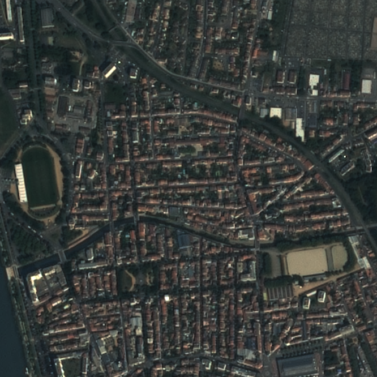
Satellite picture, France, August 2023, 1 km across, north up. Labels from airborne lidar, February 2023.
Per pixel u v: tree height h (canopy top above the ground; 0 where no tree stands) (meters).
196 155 0
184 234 0
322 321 0
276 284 24
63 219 17
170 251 0
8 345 0
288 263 0
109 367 0
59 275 0
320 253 0
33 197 0
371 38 0
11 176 0
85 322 0
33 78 13
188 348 0
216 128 0
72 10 10
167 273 7
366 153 0
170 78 0
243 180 11
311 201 0
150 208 0
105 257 0
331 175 0
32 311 7
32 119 0
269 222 0
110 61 19
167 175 8
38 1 0
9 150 0
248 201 11
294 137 11
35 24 12
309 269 0
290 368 0
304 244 23
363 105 0
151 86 0
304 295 7
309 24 0
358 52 0
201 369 0
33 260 19
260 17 0
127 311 0
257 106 0
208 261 0
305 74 10
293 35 0
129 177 0
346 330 0
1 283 0
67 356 0
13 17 0
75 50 7
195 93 0
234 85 0
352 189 17
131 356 0
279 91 0
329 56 0
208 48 0
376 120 0
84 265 0
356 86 7
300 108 0
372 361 14
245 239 5
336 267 0
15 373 0
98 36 0
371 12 0
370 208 15
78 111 0
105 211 0
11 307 0
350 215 0
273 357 0
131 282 0
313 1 0
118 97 0
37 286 0
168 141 0
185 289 12
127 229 6
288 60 0
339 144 0
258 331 0
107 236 0
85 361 0
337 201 0
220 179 0
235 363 0
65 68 18
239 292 0
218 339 9
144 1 0
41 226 19
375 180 16
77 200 0
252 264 0
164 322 0
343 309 0
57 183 0
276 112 0
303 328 0
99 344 0
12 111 0
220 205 0
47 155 0
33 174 0
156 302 12
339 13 0
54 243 0
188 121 0
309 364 0
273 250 0
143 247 0
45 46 12
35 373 9
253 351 0
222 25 0
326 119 0
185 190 0
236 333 8
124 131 0
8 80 13
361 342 0
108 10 0
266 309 0
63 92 0
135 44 0
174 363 0
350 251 19
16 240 22
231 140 0
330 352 14
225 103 0
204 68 0
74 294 9
